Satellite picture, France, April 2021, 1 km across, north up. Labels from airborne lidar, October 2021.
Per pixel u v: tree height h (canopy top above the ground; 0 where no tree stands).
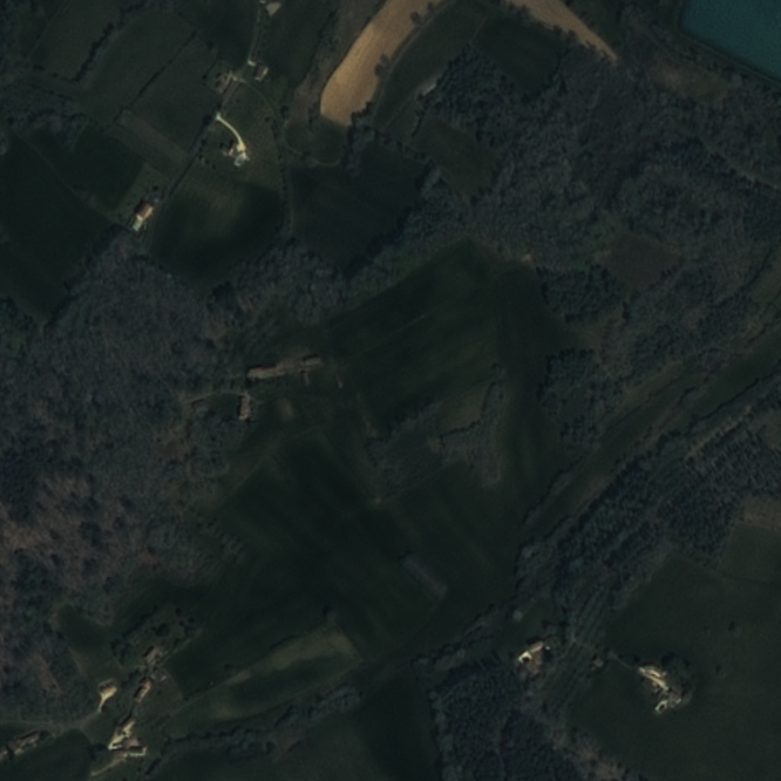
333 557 0
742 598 0
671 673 7
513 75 0
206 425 13
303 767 0
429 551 0
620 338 18
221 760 0
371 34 0
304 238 0
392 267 25
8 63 35
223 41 0
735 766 0
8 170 0
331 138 0
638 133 6
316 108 7
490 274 0
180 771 0
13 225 0
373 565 0
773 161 8
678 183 18
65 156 0
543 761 18
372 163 0
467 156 0
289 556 0
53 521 21
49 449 16
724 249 20
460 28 0
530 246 18
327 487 0
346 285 13
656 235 18
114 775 0
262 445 0
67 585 26
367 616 0
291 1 0
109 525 23
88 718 14
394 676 0
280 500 0
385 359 0
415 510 0
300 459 0
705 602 0
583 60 8
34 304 0
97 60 11
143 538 11
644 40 0
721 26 0
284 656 0
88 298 24
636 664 7
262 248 0
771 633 0
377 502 0
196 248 0
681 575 0
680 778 0
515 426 0
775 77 0
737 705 0
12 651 19
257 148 0
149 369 20
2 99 10
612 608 12
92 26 0
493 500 0
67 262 0
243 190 0
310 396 0
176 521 12
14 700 28
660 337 17
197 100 0
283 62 0
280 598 0
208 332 19
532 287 0
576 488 0
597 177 8
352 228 0
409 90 0
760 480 19
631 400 0
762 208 14
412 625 0
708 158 21
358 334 0
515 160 13
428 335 0
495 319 0
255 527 0
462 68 10
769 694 0
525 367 0
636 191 27
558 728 18
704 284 16
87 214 0
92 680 0
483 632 6
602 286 6
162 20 0
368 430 0
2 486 19
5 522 20
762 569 0
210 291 0
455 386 0
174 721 0
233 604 0
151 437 23
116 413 23
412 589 0
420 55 0
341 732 0
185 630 7
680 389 0
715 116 14
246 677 0
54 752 0
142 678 14
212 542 0
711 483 17
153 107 0
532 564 14
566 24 0
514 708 17
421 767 0
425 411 11
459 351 0
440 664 15
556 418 11
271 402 0
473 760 19
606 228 22
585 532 15
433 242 22
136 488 25
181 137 0
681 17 0
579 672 6
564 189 17
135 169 0
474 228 22
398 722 0
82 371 23
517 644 0
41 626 14
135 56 0
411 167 0
